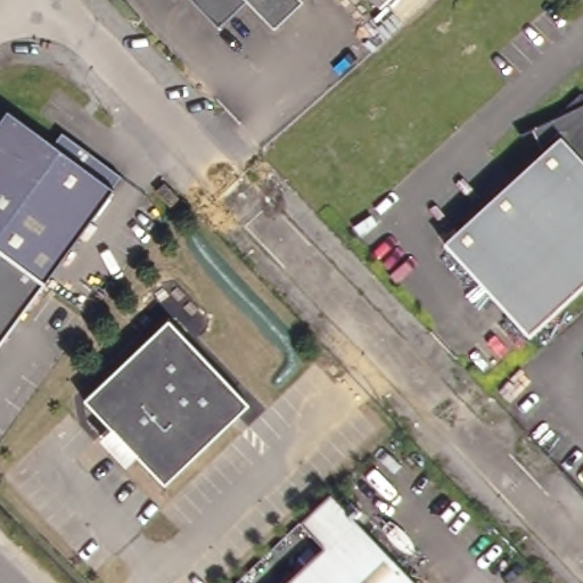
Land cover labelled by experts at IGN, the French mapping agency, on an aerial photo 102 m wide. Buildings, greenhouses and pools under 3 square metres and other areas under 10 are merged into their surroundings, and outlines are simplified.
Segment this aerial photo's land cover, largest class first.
<instances>
[{"label":"impervious surface","instance_id":"1","mask_svg":"<svg viewBox=\"0 0 583 583\"><path fill-rule=\"evenodd\" d=\"M305 14L298 20V25L273 36L253 18V14L244 5H239L237 9L239 18L232 20L228 30H221V25L212 23L210 16L191 0H0V71L34 64L57 71L64 77H71L89 96V102L80 107L68 96L55 93L43 109L46 118L41 123L61 128L75 132L105 157H109L114 164H118L123 169L118 173L123 187H116L112 196L102 203L91 225L82 232L80 241L73 246V251L66 255V260L52 276L55 282L66 280L73 285V289H55V303L48 301V296L43 294L41 303H36V310L27 317V321L16 319L7 335L0 339V435L27 403L36 385H41L48 378L52 367L61 362L66 355L71 358L93 348V339L96 328L109 314L112 307L118 305L116 301H121V296L130 289V282L121 278V264L128 262V251L132 246H143L150 241L153 223L159 219V214L164 212L184 198L187 189H198L200 178L207 175L210 166L221 164L223 155H232L246 169V162L255 153H266L296 121H301L303 114H307L317 102H321L323 96L330 93L337 84H342L346 71H358L362 64H367L369 57L383 50L385 43L410 18H414L426 5L435 0H305ZM492 64L499 66L501 75H508V84L485 107H481L460 130H455L428 159H424L405 180H401L392 189V194L369 214V219L355 225V232L367 239L364 262L358 260L332 235V230L314 214V210L294 189L285 196V212L278 216H264L260 207H241L239 212H235L237 228L232 232H219L212 228V221L205 214H196L200 228L187 241V246L196 262L203 266V271L214 280V285L235 303V307L246 319H251L257 326L262 337L280 351L282 360L271 373V394L276 396V401L266 410H262L260 401L200 342V335L205 332V319L187 312L191 296L184 285L175 280L162 282L166 292H157V301L166 307V321L178 326L180 332L210 360V364L248 401L251 410L244 417V421L232 417L173 476L164 481L141 455H137L130 467H123L107 453L100 440L107 433L102 424L84 410L87 396L77 392V396L73 399V410L77 419L61 417V421L39 444H34V449L27 455L16 460L2 476L9 483L5 501L36 533L46 535L50 547L59 549L64 556H80V560H84L102 578V583H216L223 578V574L230 576L225 553H235V558L248 560L253 544H260L262 537H269V553L260 558V565L244 574L237 583H289L321 553V544L312 537L305 522L298 524L292 533H287L282 540L273 537V524H278L280 519H292V510L285 501L287 490H305L307 474H319L326 478L344 469L353 460L351 455L362 451L367 440L385 428L380 417L364 401L378 396L392 399L396 403V412L401 417H408L417 444L428 455L446 458V471L455 474L458 483L467 487L476 499H481L501 522L519 531H533V542L528 547H533L537 551L535 556L544 558L553 569L551 583H583V296L576 303H572L565 312H560L558 319L551 321V326H547L533 339L540 344V351L528 362L512 367V371L503 380H499V387L487 394L471 378L469 371H465V364L471 360L478 369L496 367L506 351H515L526 339L494 303L483 301L487 287H476L467 273L455 276L449 271L453 257L446 255L444 244L503 187H508L533 159H537L553 141H558V130H547L537 139H533L535 125H542L574 109L583 112V87L572 89L563 100L549 107L542 102V98L551 89H556L567 75L583 66V0H572L569 9L563 16L542 9L540 16L531 20L528 30L519 32L503 50L492 52ZM512 128H517V139L499 157H492V143ZM373 257H383V264L389 273H394V280L412 294L414 305L410 312L367 269V262H373ZM310 332H314V337L319 339V358L312 364L298 360L296 353L301 339ZM433 483L426 481L424 471L414 476L412 471L403 469L394 458H385L383 462H376L367 481H358L355 487H351V499H355L358 506L355 512L346 515L412 583H531L519 572V565L506 563L501 547H490L487 540H483L476 533V528L469 524V512L460 503H451L446 494H440L430 487ZM0 583H57L43 567H39V563L30 553L16 547L0 528Z\"/></svg>","mask_w":583,"mask_h":583},{"label":"building","instance_id":"2","mask_svg":"<svg viewBox=\"0 0 583 583\"><path fill-rule=\"evenodd\" d=\"M210 16L212 23L221 25V30H228L232 20L239 18L237 9L239 5H244L253 14V18L273 36L298 25V20L305 14V0H191ZM547 130H558V141H553L537 159H533L508 187H503L444 244L446 255L453 257L449 271L455 276L467 273L476 287H487L483 301L494 303L526 339H533L547 326H551V321L558 319L560 312H565L572 303H576L583 296V112L574 109L542 125H535L533 139H537ZM123 169L118 164H114L109 157H105L75 132L61 128V134L55 141H46L41 134L30 130L11 114H5L0 118V339L7 335L16 319L27 321V317L36 310V303H41L43 294L48 296V301L55 303V289H73V285L66 280L55 282L52 276L66 260V255L73 251V246L80 241L82 232L91 225L102 203L112 196L116 187H123L118 173ZM84 410L102 424L107 433L100 440L107 453L123 467H130L137 455H141L164 481L173 476L232 417L244 421V417L251 410L248 401L210 364V360L180 332L178 326L166 321L87 396ZM312 537L321 544V553L289 583H412L346 515L335 499H328L305 522Z\"/></svg>","mask_w":583,"mask_h":583},{"label":"herbaceous vegetation","instance_id":"3","mask_svg":"<svg viewBox=\"0 0 583 583\"><path fill-rule=\"evenodd\" d=\"M542 0H435L426 5L414 18H410L385 43L383 50L369 57L367 64H362L358 71H346L342 84H337L330 93L323 96L321 102H317L307 114H303L301 121H296L266 153L273 171L282 173L294 189L314 210V214L332 230L344 228L346 223L355 225L369 219V214L392 194V189L401 180H405L424 159H428L455 130H460L481 107H485L508 84V75H501L499 66L492 64V52L503 50L519 32L528 30L531 20L540 16L542 9ZM55 93L68 96L80 107L89 102V96L71 77H64L57 71L34 64L0 71V118L5 114H11L30 130L41 134L46 141H55L61 134V128L41 123L46 118L43 109ZM583 87V66L567 75L556 89H551L542 98V102L549 107L563 100L572 89ZM517 139V128H512L492 143V157H499ZM367 269L410 312L414 305L412 294L394 280V273H389L383 264V257H373V262H367ZM540 351V344L533 339H526L515 351H506L496 367L478 369L471 360L465 364V371H469L471 378L487 394L499 387V380H503L512 371V367L528 362ZM9 483L0 474V528L16 547L30 553L39 563V567H43L57 583H102V578L84 560H80V556H64L59 549L50 547L46 535L36 533L5 501Z\"/></svg>","mask_w":583,"mask_h":583},{"label":"pervious surface","instance_id":"4","mask_svg":"<svg viewBox=\"0 0 583 583\"><path fill-rule=\"evenodd\" d=\"M294 189L282 173L273 171L266 153H255L246 162V169L232 155H223L221 164L210 166L207 175L200 178L198 189H187L184 198L164 212L173 221H184V216L191 210L196 214H205L212 221V228L219 232H232L237 228L235 212H239L241 207H260L264 216H278L285 212V196ZM171 237V232L159 219L153 223L150 241L143 246H132L128 251V262L121 264V278L130 282V289L134 292L137 307L141 312H137L130 319L128 312H123L118 305L112 307L109 314L121 326L118 339L112 346H102L93 339V348L100 351V367L93 373H73L71 358L66 355L61 362L52 367L48 378L41 385H36L27 403L0 435V474L2 476L16 460L27 455L34 449V444H39L61 421V417L77 419L73 410V399L77 396V392L87 396L166 321V307L157 301V292H166L162 282L175 280L184 285L191 296L187 312L205 319V332L200 335V342L260 401L262 410H266L276 401V396L271 394V373L282 360L280 351L262 337L257 326L251 319H246L235 307V303L214 285V280L203 271V266L196 262L187 246L175 248L173 255L162 253L159 244H164Z\"/></svg>","mask_w":583,"mask_h":583},{"label":"brushwood","instance_id":"5","mask_svg":"<svg viewBox=\"0 0 583 583\"><path fill-rule=\"evenodd\" d=\"M542 9L563 16L569 9L572 0H542ZM332 235L358 260L364 262L367 239L355 232V225L346 223L344 228L332 230ZM380 417L385 428L367 440L362 451L351 455L353 460L344 469L348 471L351 487H355L358 481H367L376 462H383L385 458H394L403 469L412 471L414 476L424 471L426 481L433 483L430 487L440 494H446L451 503H460L469 512V524L476 528V533L483 540H487L490 547H501L506 563L519 565V572L531 583H551L553 569L544 558L535 556L537 551L533 547H528L533 542V531H519L501 522L481 499H476L467 487L458 483L455 474L446 471V458L428 455L417 444L408 417H401L396 412V403L392 399L378 396L364 401Z\"/></svg>","mask_w":583,"mask_h":583},{"label":"deciduous trees","instance_id":"6","mask_svg":"<svg viewBox=\"0 0 583 583\"><path fill-rule=\"evenodd\" d=\"M171 232V237L164 244H159L162 253L173 255L175 248L187 246V241L200 228L196 214L191 210L184 216V221H173L164 212L159 214V219ZM118 305L123 312H128L130 319L137 312H141L137 307L134 292L130 289L121 296V301H116ZM121 326L109 314L96 328L93 339L102 346H112L118 339ZM296 353L298 360L312 364L319 358V339L314 337V332H310L301 339ZM73 373H93L100 367V351L93 348L71 358ZM328 499H335L346 515L355 512L358 506L355 499H351V487L348 471L344 469L326 478L319 474H307L305 490H287L285 501L292 510V519H280L278 524H273V537L282 540L287 533H292L298 524L305 522ZM269 537H262L260 544H253L248 560L235 558V553H225L230 576L223 574V578L216 583H237L244 574L260 565V558L269 553Z\"/></svg>","mask_w":583,"mask_h":583}]
</instances>
